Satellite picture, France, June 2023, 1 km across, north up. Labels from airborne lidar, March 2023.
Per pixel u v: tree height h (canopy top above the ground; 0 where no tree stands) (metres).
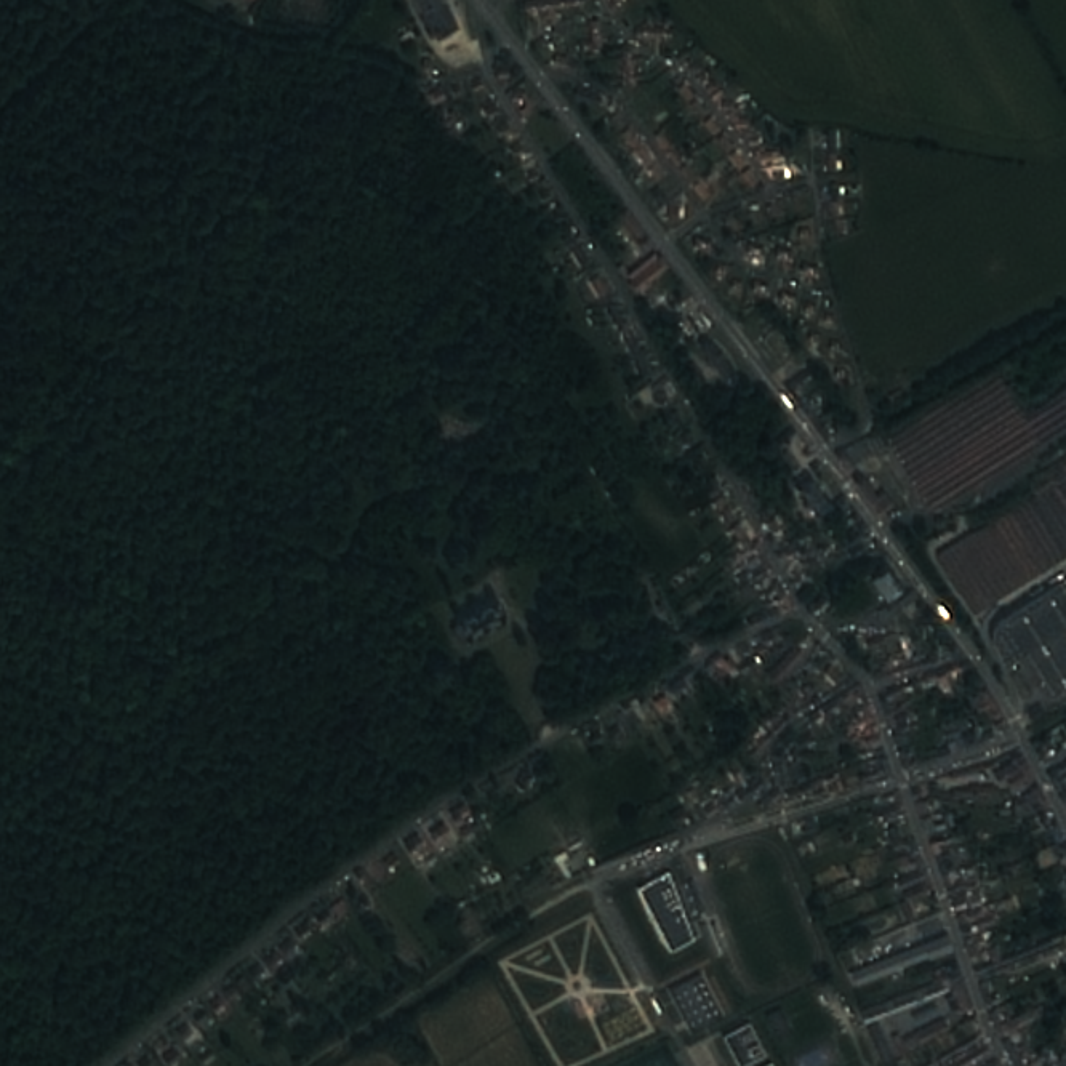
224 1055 0
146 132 24
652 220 0
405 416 25
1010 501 8
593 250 0
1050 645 0
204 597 22
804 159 0
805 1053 0
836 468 0
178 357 24
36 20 23
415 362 23
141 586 17
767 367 0
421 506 22
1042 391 14
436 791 8
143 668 22
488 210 12
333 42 15
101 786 19
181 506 23
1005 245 0
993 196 0
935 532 15
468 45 0
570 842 0
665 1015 0
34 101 24
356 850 10
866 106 0
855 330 0
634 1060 0
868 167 0
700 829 0
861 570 15
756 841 0
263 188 24
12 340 28
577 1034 0
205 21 8
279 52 17
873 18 0
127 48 6
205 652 27
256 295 21
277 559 25
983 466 0
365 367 15
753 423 16
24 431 18
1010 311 0
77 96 17
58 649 17
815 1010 0
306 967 16
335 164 21
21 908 22
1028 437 0
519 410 22
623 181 0
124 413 21
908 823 0
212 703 28
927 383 6
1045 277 0
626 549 14
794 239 0
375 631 22
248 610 18
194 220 11
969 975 0
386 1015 0
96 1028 21
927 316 0
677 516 0
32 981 19
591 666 25
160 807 26
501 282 15
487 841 0
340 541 22
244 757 21
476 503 16
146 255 18
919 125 0
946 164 0
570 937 0
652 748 6
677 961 0
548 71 0
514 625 0
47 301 27
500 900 12
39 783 22
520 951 0
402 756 23
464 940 0
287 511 28
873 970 0
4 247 24
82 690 20
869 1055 0
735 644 0
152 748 21
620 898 0
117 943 18
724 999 0
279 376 16
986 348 14
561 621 27
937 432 0
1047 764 0
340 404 19
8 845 18
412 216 23
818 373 19
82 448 25
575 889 0
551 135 0
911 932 0
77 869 25
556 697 12
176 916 17
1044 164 0
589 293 0
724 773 7
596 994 0
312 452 24
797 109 0
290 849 14
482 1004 0
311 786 26
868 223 0
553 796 10
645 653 23
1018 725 0
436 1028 0
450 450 14
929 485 0
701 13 0
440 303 18
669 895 0
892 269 0
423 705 23
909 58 0
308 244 25
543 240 6
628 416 0
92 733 22
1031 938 10
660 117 0
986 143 0
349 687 26
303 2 0
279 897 21
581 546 11
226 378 24
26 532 24
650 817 0
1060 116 0
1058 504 0
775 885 0
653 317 14
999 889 0
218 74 22
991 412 0
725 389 13
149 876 18
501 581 0
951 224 0
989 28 0
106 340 23
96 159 16
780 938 0
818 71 0
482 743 19
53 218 24
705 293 0
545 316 15
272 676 26
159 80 6
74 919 19
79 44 9
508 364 24
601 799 0
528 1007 0
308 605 28
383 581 20
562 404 15
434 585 0
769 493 21
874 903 0
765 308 15
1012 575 0
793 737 14
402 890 0
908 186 0
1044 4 0
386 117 24
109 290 24
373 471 8
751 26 0
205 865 18
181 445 24
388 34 0
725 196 0
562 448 14
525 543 23
